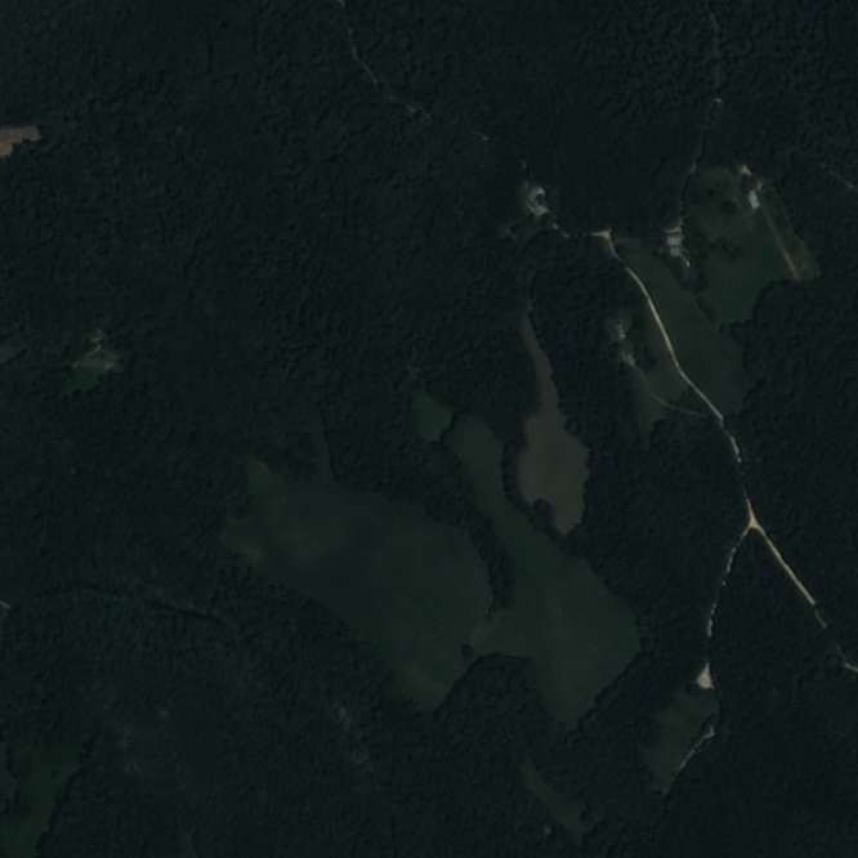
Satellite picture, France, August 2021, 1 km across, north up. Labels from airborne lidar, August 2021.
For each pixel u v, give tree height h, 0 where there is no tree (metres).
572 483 0
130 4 14
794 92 18
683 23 20
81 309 20
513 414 11
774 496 16
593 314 15
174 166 17
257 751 9
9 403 20
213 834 14
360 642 16
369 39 16
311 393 18
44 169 19
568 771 14
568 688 0
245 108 20
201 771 6
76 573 20
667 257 6
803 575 15
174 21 16
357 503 0
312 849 12
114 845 21
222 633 10
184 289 19
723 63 19
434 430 0
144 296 18
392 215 12
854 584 10
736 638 20
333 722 20
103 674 7
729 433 13
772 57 18
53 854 17
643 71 18
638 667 15
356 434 17
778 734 19
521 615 0
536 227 11
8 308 20
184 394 20
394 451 17
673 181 18
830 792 22
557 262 13
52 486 28
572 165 13
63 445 25
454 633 0
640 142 6
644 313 7
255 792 12
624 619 0
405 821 15
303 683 13
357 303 19
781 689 21
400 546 0
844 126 13
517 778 19
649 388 0
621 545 15
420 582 0
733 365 0
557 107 12
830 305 15
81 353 20
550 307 12
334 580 0
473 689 20
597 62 17
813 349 12
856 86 20
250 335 23
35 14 10
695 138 10
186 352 18
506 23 15
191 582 17
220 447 16
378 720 18
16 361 14
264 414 24
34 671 27
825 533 16
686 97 18
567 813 0
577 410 13
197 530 26
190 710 6
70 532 21
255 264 20
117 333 19
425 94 8
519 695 19
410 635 0
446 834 7
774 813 16
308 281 19
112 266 17
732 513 13
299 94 15
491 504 0
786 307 10
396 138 14
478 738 15
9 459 23
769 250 0
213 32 21
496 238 11
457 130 10
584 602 0
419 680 0
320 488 0
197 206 15
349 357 22
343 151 23
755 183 8
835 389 13
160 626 16
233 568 12
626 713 17
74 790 17
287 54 13
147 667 8
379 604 0
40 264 20
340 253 17
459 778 17
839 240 10
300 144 17
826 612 14
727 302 0
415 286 16
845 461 15
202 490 18
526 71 14
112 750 8
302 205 24
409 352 9
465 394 15
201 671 8
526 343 11
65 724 24
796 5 20
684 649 18
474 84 13
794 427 13
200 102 23
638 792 10
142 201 15
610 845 20
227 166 18
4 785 0
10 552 19
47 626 14
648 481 14
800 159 15
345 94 19
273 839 12
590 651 0
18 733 19
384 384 18
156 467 23
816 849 17
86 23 10
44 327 18
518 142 12
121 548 21
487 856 9
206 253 17
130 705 10
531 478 0
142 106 20
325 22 14
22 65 11
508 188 14
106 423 27
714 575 11
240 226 16
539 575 0
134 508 21
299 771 9
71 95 15
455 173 17
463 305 18
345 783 11
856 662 13
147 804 7
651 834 18
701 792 18
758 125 11
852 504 12
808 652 19
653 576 16
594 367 15
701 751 9
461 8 14
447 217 21
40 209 21
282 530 0
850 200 9
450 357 16
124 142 13
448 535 0
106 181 9
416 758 21
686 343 0
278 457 22
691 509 10
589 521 11
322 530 0
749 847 12
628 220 16
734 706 16
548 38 13
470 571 0
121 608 10
